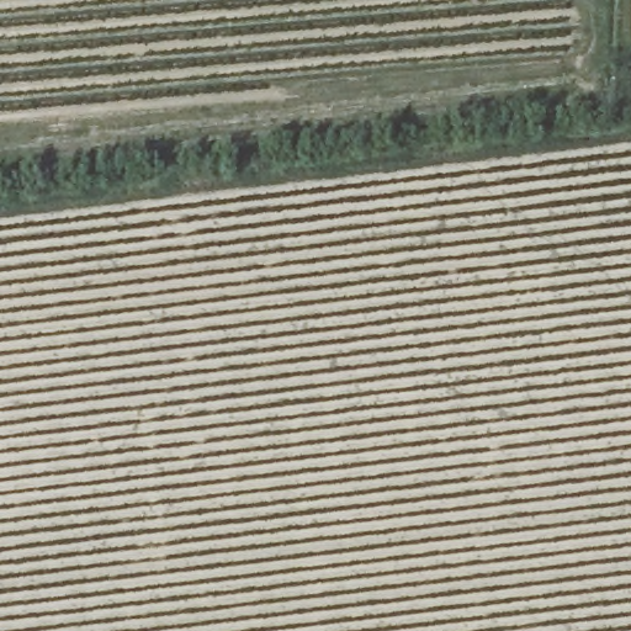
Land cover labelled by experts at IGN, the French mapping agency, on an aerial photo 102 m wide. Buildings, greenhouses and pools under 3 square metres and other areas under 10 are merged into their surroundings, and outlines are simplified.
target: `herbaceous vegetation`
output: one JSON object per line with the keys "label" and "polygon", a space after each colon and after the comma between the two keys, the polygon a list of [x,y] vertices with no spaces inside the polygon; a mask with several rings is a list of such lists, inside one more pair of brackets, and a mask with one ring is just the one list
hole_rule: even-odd
{"label": "herbaceous vegetation", "polygon": [[57,148],[52,145],[42,150],[39,170],[44,180],[57,177],[57,158]]}
{"label": "herbaceous vegetation", "polygon": [[407,126],[426,128],[424,118],[417,116],[412,106],[404,106],[402,111],[394,111],[389,116],[389,123],[394,133],[399,133]]}
{"label": "herbaceous vegetation", "polygon": [[301,131],[306,131],[308,136],[340,136],[343,131],[360,133],[372,128],[370,121],[360,121],[355,116],[345,121],[291,121],[283,126],[288,131],[291,143],[298,143]]}
{"label": "herbaceous vegetation", "polygon": [[158,158],[168,165],[175,163],[180,145],[173,138],[126,138],[113,145],[106,145],[108,160],[116,153],[140,150],[158,153]]}
{"label": "herbaceous vegetation", "polygon": [[254,155],[259,155],[259,138],[249,131],[234,131],[232,140],[237,145],[234,173],[239,175]]}
{"label": "herbaceous vegetation", "polygon": [[74,165],[86,165],[89,177],[99,177],[94,148],[76,150],[71,155]]}
{"label": "herbaceous vegetation", "polygon": [[461,118],[471,118],[478,108],[498,111],[508,104],[508,94],[468,96],[458,104],[458,111]]}
{"label": "herbaceous vegetation", "polygon": [[542,108],[542,128],[552,128],[557,106],[567,104],[564,86],[527,91],[527,101]]}

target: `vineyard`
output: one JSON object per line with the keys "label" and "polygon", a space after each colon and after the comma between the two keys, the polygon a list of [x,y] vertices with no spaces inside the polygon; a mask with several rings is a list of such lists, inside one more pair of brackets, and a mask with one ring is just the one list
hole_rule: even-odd
{"label": "vineyard", "polygon": [[293,180],[281,185],[185,192],[158,200],[131,200],[118,205],[94,205],[0,217],[0,631],[631,631],[631,140],[527,155],[486,158],[471,163],[444,163],[389,173],[362,173],[323,180]]}
{"label": "vineyard", "polygon": [[584,104],[587,111],[596,111],[601,104],[614,106],[616,81],[621,81],[621,74],[631,71],[631,0],[0,0],[0,155],[42,150],[52,145],[57,148],[57,158],[71,155],[76,150],[94,148],[106,145],[113,145],[126,138],[173,138],[180,145],[192,148],[202,138],[212,143],[232,140],[234,131],[249,131],[259,138],[276,126],[283,126],[291,121],[345,121],[355,116],[360,121],[370,121],[372,128],[387,128],[389,123],[389,116],[394,111],[402,111],[404,106],[412,106],[417,116],[424,118],[458,111],[458,104],[468,96],[508,94],[527,91],[564,86],[567,104],[569,108]]}

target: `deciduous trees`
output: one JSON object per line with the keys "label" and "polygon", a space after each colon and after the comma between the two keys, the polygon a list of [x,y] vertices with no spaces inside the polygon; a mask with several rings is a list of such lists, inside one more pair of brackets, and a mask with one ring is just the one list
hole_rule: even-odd
{"label": "deciduous trees", "polygon": [[601,104],[596,111],[587,111],[584,104],[569,108],[567,104],[557,106],[552,128],[542,128],[542,108],[527,101],[527,91],[508,94],[508,104],[498,111],[478,108],[471,118],[461,118],[458,111],[424,118],[426,128],[407,126],[399,133],[394,133],[389,123],[387,128],[372,128],[360,133],[343,131],[340,136],[308,136],[306,131],[301,131],[298,143],[291,143],[288,131],[283,126],[276,126],[259,138],[259,155],[254,155],[239,175],[234,173],[237,145],[232,140],[212,143],[202,138],[192,148],[180,145],[175,163],[168,165],[158,158],[158,153],[140,150],[116,153],[108,160],[106,145],[94,148],[99,177],[89,177],[86,165],[74,165],[71,155],[57,158],[57,177],[44,180],[39,170],[42,150],[0,155],[0,217],[94,205],[118,205],[131,200],[158,200],[185,192],[281,185],[293,180],[323,180],[362,173],[389,173],[444,163],[471,163],[486,158],[527,155],[631,140],[631,71],[621,74],[621,81],[616,81],[614,106]]}

